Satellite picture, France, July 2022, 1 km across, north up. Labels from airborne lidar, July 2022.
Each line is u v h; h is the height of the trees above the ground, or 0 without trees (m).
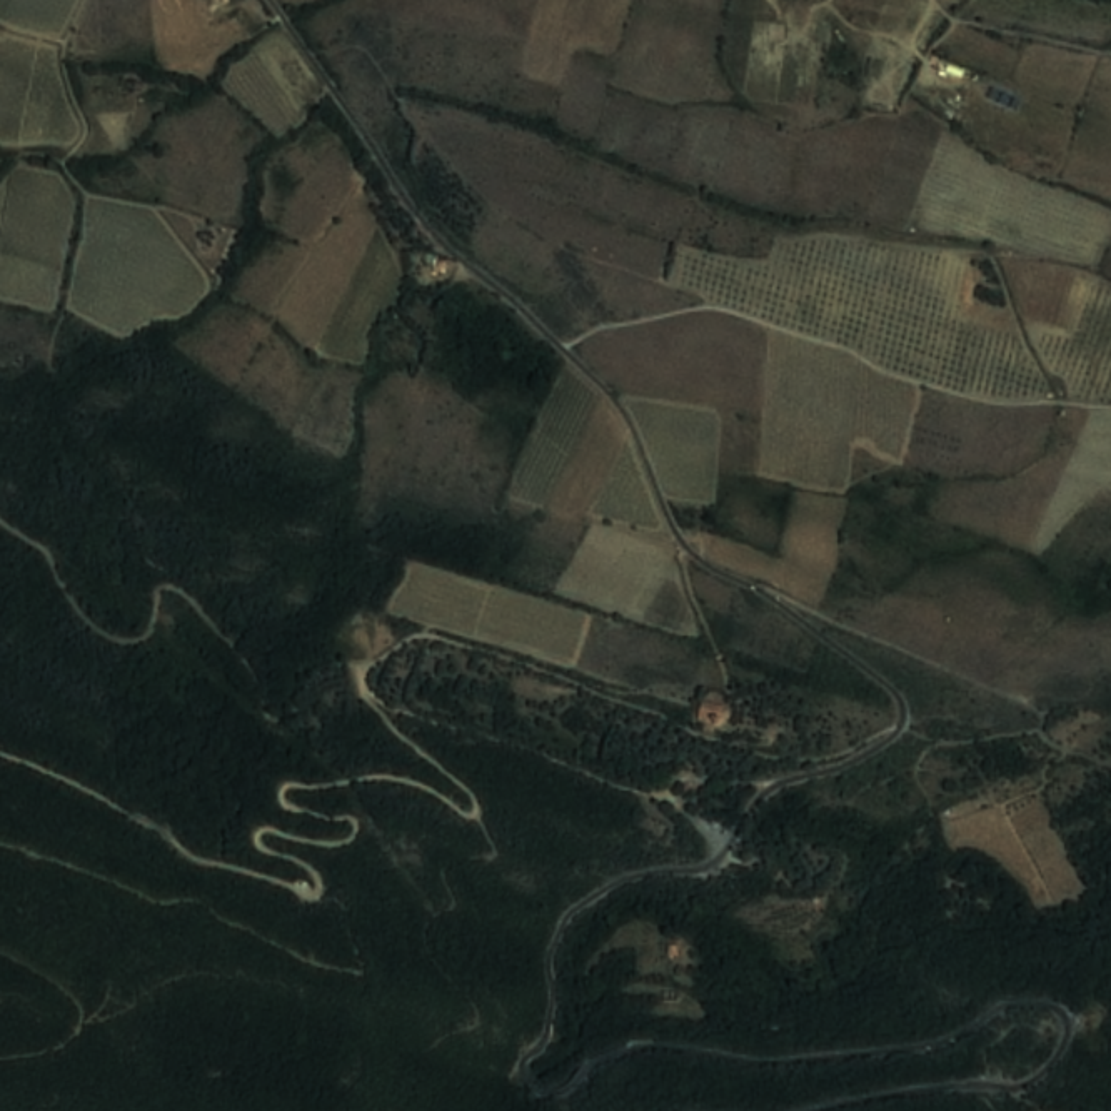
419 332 12
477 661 12
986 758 7
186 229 0
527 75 0
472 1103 8
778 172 0
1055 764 8
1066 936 10
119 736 6
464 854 6
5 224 0
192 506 7
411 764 9
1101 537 0
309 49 7
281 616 7
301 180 0
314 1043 12
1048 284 0
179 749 10
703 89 0
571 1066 14
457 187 7
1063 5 0
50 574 7
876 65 0
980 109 0
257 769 19
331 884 6
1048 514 0
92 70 12
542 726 12
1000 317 0
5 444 6
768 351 0
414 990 8
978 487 0
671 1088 8
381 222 7
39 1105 8
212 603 9
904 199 0
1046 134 0
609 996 7
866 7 0
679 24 0
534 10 0
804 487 0
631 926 0
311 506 6
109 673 9
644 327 0
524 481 0
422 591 0
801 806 6
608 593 0
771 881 7
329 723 10
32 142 0
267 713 13
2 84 0
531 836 6
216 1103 11
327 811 8
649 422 0
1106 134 0
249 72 0
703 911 10
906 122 0
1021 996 10
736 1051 8
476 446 0
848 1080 9
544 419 0
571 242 0
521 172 0
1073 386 0
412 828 6
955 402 0
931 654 0
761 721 14
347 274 0
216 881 6
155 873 6
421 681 7
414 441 0
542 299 0
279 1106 14
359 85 0
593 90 0
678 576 0
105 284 0
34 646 7
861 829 6
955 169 0
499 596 0
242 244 10
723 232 0
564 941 6
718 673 0
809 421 0
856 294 0
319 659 9
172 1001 5
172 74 10
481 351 9
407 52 0
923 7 0
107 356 6
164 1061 11
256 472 6
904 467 0
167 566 8
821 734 9
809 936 8
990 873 13
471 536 7
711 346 0
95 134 0
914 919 11
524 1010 6
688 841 13
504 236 0
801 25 0
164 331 9
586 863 6
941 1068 8
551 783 9
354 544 7
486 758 10
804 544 0
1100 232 0
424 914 10
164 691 6
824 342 0
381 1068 7
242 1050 11
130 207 0
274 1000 7
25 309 6
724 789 13
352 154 8
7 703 10
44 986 5
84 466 6
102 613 10
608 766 12
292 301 0
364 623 0
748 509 0
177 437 9
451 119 0
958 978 6
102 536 6
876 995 10
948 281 0
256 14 0
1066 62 0
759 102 0
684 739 14
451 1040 6
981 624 0
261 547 6
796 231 0
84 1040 6
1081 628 0
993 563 0
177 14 0
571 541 0
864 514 0
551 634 0
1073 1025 0
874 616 0
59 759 8
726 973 15
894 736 0
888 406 0
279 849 7
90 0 0
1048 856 0
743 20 0
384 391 0
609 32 0
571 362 0
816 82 0
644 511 0
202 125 0
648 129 0
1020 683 0
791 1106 10
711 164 0
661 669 0
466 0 0
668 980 7
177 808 8
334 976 6
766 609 0
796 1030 7
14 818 6
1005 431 0
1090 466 0
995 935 10
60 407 10
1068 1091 10
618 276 0
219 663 14
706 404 0
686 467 0
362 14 0
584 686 7
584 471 0
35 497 7
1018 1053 7
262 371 0
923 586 0
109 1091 6
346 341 0
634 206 0
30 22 0
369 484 0
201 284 0
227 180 0
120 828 6
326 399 0
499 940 16
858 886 11
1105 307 0
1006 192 0
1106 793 6
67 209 0
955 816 0
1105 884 11
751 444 0
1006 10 0
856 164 0
